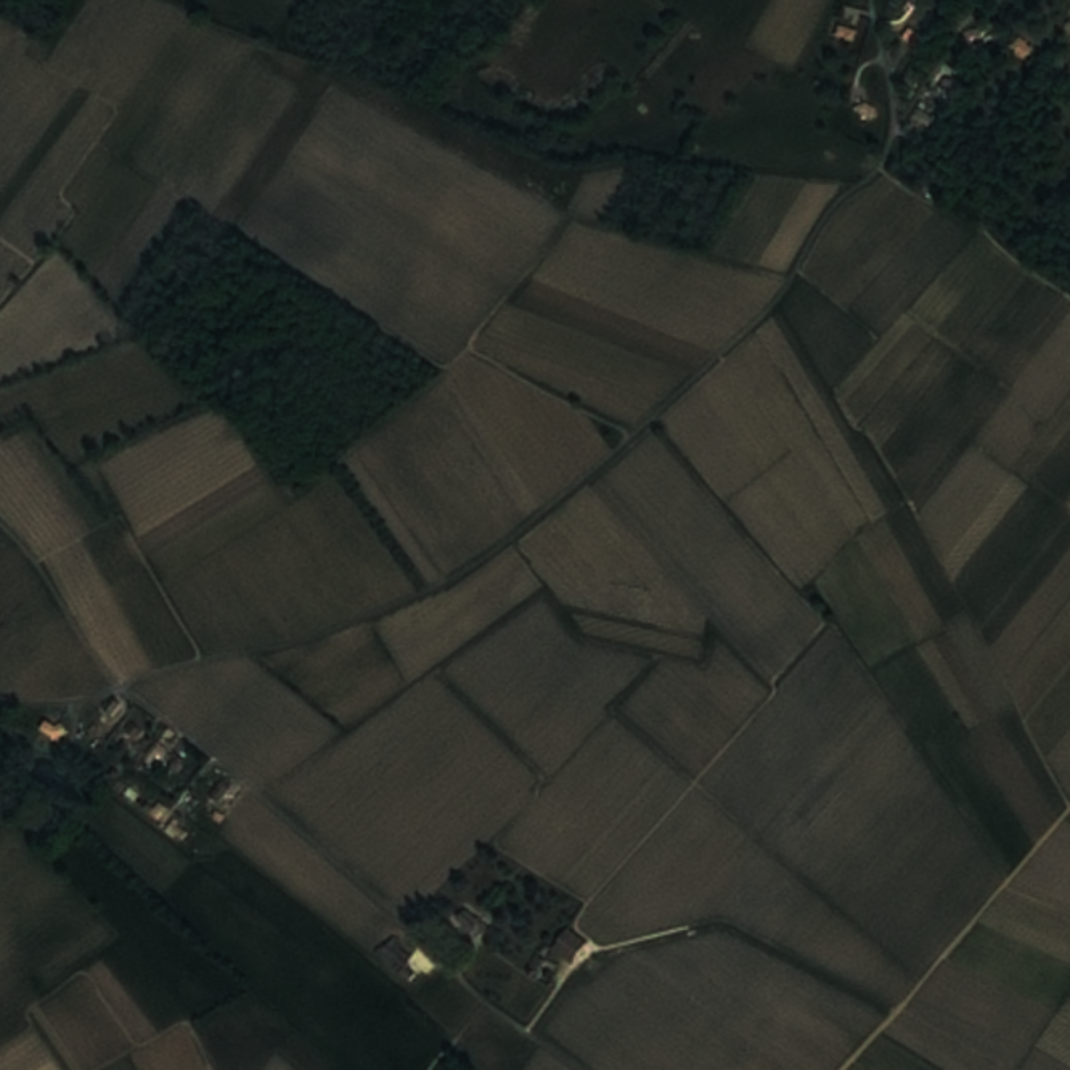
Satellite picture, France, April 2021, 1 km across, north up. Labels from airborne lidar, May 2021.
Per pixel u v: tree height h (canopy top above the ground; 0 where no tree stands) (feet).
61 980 0
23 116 0
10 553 0
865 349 0
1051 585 0
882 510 0
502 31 69
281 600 0
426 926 85
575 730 0
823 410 0
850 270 0
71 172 0
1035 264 44
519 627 0
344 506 0
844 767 0
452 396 0
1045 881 0
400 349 42
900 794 0
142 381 0
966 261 0
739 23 0
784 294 0
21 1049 0
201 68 0
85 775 77
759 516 0
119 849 0
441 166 0
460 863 0
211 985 0
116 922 0
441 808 0
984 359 0
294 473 48
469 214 0
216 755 0
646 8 0
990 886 0
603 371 0
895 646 0
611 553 0
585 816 0
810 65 0
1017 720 0
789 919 0
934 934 0
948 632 0
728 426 0
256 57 0
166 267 62
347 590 0
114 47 0
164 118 0
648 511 0
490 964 0
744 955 0
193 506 0
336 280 0
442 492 0
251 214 0
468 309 0
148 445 0
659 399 0
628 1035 0
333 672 0
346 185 0
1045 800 0
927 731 0
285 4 0
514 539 0
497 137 53
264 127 0
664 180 48
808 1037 0
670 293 0
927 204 0
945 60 44
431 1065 0
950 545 0
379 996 0
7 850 0
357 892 0
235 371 66
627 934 0
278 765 0
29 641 0
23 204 0
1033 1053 0
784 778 0
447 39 64
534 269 0
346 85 0
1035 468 0
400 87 31
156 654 0
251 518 0
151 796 0
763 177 0
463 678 0
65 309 0
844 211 0
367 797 0
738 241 0
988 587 0
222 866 0
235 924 0
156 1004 0
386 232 0
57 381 0
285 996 0
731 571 0
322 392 60
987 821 0
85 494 55
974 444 0
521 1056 0
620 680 0
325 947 0
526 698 0
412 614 0
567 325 0
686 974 0
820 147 0
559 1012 0
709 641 0
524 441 0
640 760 0
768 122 0
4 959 0
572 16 0
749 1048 0
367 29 61
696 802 0
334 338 70
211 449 0
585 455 0
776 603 0
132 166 0
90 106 0
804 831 0
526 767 0
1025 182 82
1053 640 0
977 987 0
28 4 65
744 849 0
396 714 0
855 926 0
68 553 0
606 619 0
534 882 35
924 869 0
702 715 0
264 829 0
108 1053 0
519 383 0
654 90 0
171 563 0
